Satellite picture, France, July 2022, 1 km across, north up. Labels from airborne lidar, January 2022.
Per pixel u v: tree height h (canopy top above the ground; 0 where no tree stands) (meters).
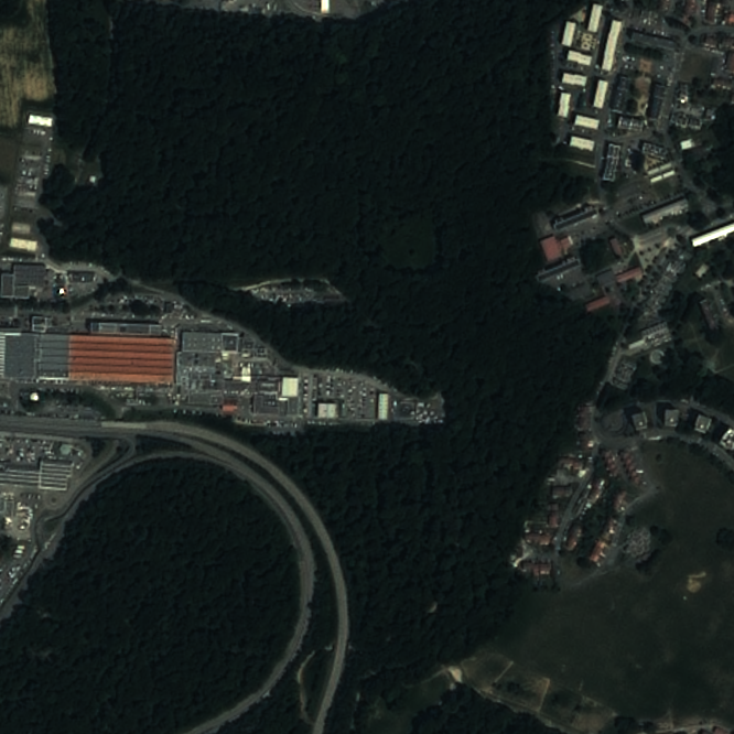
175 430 0
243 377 0
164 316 0
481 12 26
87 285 0
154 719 18
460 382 28
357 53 26
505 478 30
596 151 0
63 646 21
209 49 25
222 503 21
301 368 0
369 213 27
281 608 26
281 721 21
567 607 0
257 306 21
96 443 10
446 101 31
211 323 0
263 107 29
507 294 27
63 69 21
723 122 8
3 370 0
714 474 0
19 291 0
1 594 0
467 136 26
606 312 0
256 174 25
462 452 27
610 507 7
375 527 26
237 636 21
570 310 23
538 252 6
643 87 18
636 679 0
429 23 22
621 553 0
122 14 22
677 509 0
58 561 16
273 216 26
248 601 24
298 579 17
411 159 21
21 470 0
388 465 22
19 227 0
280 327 20
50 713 21
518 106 23
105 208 27
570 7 18
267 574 26
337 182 28
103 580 23
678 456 0
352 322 22
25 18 0
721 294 0
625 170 0
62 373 0
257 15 8
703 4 0
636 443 0
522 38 19
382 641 11
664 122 0
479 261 27
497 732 26
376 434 16
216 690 25
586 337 20
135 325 0
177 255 26
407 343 29
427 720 27
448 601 19
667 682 0
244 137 28
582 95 6
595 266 12
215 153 28
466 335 26
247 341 0
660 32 0
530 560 0
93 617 21
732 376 0
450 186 26
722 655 0
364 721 15
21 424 0
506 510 27
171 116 30
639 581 0
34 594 23
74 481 0
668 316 19
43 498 0
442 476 27
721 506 0
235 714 0
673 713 0
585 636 0
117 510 21
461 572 22
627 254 0
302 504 0
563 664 0
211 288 19
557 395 22
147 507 22
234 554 19
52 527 0
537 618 0
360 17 0
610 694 0
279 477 0
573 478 0
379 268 27
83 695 26
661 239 0
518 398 27
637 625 0
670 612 0
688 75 0
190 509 24
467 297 24
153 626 17
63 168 14
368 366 21
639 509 0
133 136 27
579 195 13
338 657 0
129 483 22
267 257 26
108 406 0
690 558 0
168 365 0
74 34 24
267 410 0
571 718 0
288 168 25
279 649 19
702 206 0
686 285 0
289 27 28
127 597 20
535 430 27
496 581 30
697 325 0
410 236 0
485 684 0
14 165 0
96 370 0
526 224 16
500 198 29
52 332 0
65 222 32
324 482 24
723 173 17
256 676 21
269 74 27
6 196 0
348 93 24
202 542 22
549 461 11
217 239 29
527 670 0
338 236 25
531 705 0
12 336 0
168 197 24
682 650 0
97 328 0
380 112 30
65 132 18
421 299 25
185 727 17
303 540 0
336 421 0
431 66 23
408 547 22
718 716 0
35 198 0
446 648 21
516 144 32
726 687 0
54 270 0
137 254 27
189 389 0
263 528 20
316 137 24
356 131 22
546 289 8
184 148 29
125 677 23
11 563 0
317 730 0
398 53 25
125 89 24
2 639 20
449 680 0
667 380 14
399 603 10
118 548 20
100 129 22
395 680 21
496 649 0
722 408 17
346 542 19
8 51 0
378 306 27
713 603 0
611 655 0
